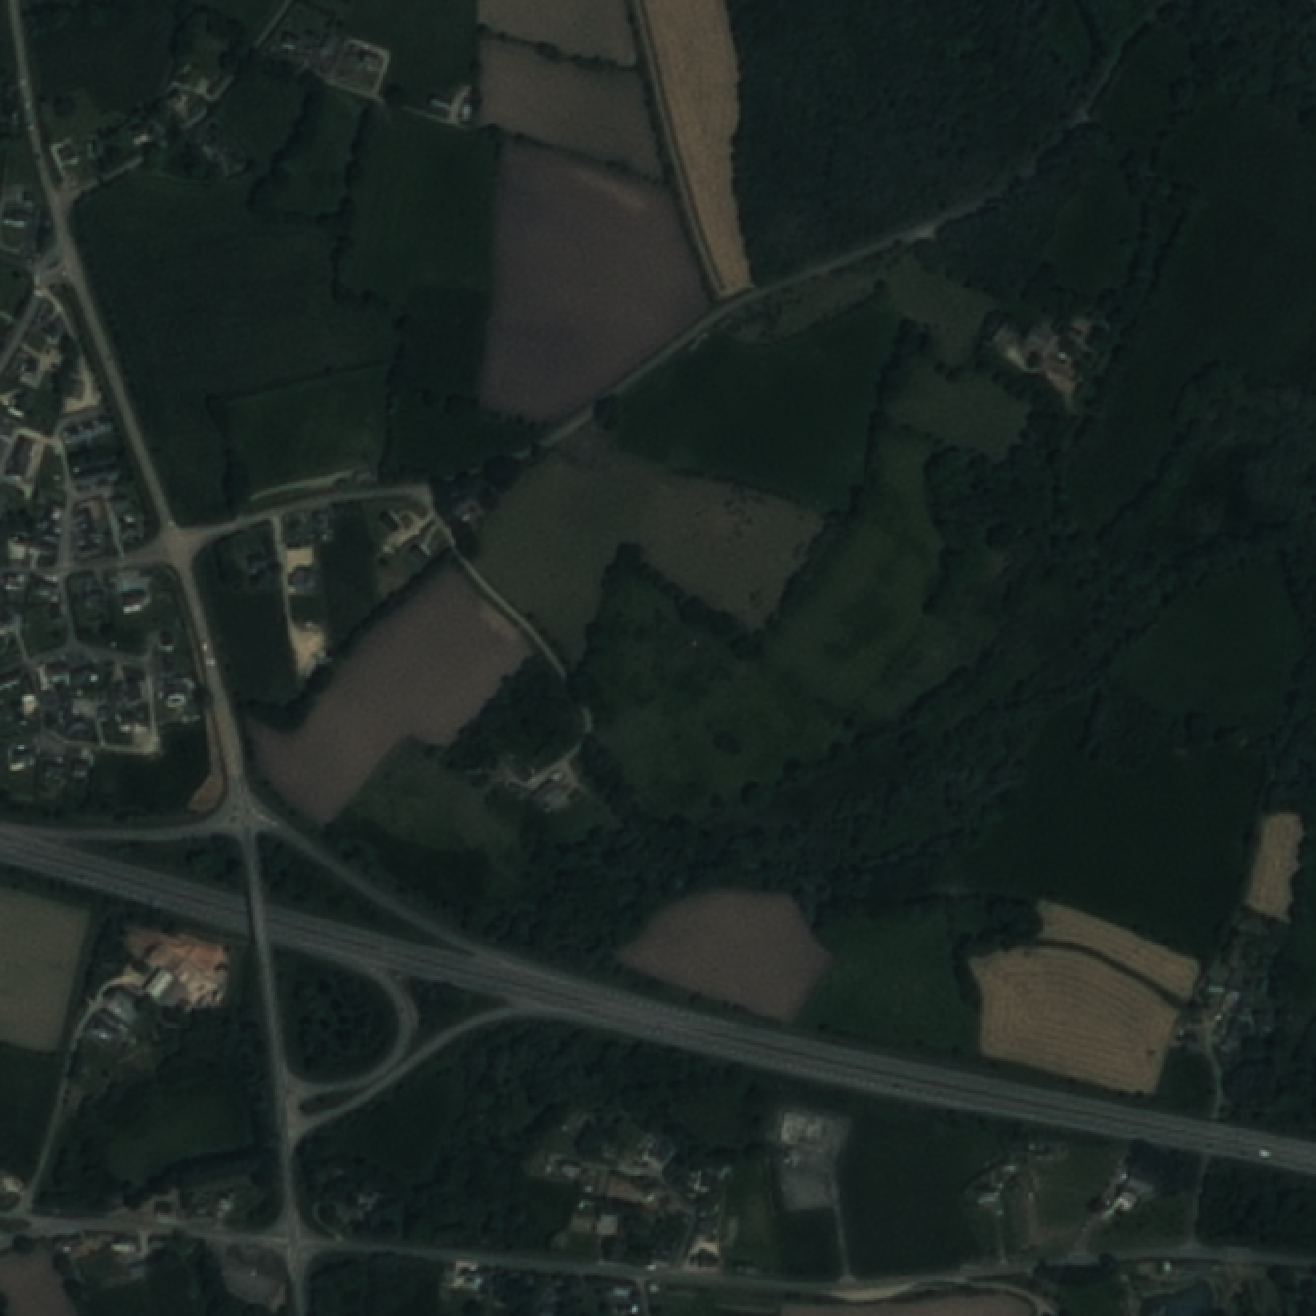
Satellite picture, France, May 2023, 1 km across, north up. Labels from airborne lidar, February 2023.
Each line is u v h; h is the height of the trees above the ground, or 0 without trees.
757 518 0
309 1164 13
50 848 0
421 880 0
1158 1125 0
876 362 0
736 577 0
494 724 7
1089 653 7
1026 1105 0
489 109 0
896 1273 0
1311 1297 17
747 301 0
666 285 0
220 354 0
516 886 0
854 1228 0
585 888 21
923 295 0
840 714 0
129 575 0
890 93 16
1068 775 0
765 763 0
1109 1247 0
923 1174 0
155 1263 17
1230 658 0
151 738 0
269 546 6
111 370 0
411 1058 0
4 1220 0
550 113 0
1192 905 0
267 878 11
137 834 0
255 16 0
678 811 0
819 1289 0
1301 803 14
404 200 0
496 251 0
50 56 0
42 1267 0
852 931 0
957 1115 7
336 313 0
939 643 0
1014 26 28
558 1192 0
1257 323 0
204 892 0
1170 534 0
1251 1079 13
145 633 0
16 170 0
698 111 0
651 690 0
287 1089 0
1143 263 15
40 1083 0
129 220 0
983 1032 0
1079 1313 0
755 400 0
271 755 0
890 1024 0
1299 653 0
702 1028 0
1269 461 10
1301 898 8
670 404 0
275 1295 0
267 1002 0
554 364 0
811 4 14
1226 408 8
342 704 0
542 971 0
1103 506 0
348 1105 0
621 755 0
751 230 11
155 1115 0
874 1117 0
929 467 10
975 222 10
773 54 14
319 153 0
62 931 0
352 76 0
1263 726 0
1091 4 25
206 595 0
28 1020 0
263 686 0
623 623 0
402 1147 0
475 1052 10
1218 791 0
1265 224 0
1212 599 0
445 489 16
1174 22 12
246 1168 18
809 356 0
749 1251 0
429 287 0
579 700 18
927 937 0
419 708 0
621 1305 0
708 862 9
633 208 0
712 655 0
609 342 0
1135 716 5
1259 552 17
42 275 0
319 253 0
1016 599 8
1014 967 0
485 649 0
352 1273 10
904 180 11
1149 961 0
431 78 0
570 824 0
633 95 0
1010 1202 0
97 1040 0
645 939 0
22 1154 0
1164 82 0
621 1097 11
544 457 12
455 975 0
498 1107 7
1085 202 0
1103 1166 0
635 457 0
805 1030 0
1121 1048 0
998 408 0
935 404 0
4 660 0
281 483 0
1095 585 8
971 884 0
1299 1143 0
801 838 12
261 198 13
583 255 0
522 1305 9
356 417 0
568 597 0
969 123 11
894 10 19
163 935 7
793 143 10
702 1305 0
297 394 0
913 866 19
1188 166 0
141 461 0
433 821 0
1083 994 0
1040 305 12
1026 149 9
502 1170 7
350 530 0
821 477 0
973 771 8
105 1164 0
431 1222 12
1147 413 0
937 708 15
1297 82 9
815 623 0
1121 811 0
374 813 0
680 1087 13
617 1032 0
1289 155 0
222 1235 0
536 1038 14
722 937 0
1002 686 0
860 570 0
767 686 0
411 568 0
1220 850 0
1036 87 28
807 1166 0
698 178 0
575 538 0
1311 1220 10
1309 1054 8
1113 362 6
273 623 0
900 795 22
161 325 0
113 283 0
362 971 0
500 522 0
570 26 0
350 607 0
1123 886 0
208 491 0
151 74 0
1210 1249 0
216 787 0
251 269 0
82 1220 0
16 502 0
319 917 0
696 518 0
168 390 0
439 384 0
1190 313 0
